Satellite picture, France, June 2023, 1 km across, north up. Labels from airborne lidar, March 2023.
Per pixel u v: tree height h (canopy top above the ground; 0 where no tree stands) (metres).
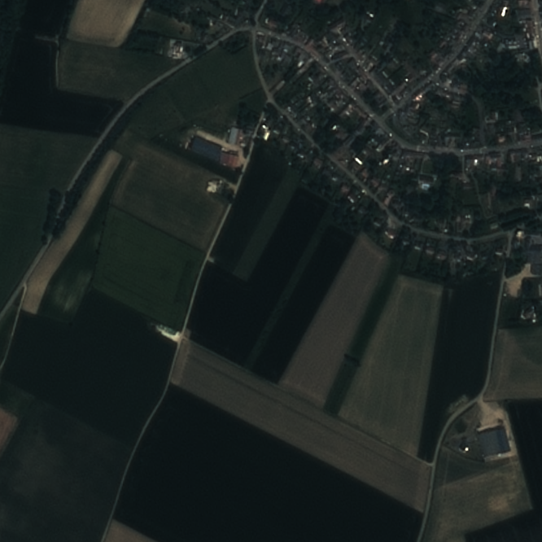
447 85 0
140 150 0
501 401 0
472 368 0
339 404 0
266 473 0
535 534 0
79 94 0
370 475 0
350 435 0
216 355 0
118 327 0
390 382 0
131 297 0
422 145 0
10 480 0
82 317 0
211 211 0
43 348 0
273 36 0
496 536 0
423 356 0
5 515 0
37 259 0
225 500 0
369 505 0
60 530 0
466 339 0
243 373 0
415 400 0
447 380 0
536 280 0
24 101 0
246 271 0
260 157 0
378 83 0
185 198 0
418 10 0
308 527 0
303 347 0
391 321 0
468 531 0
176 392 0
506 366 0
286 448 0
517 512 0
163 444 0
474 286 0
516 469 0
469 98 17
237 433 0
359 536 0
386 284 0
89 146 0
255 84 0
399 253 8
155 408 0
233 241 0
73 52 0
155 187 0
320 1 0
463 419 0
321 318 0
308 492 0
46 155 0
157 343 0
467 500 0
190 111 0
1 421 0
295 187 0
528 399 0
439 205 15
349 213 8
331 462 0
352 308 0
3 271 0
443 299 0
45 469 0
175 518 0
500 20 0
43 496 0
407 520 0
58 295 0
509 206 8
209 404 0
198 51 10
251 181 0
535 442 0
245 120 13
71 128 0
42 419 0
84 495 0
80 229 0
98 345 0
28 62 0
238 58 0
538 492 0
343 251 0
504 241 0
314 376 0
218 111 0
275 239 0
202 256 0
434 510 0
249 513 0
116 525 0
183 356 0
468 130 6
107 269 0
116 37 0
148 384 0
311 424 0
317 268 0
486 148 0
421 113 6
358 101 0
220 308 0
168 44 0
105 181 0
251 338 0
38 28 0
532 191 15
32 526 0
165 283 0
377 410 0
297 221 0
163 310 0
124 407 0
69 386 0
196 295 0
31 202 0
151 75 0
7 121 0
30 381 0
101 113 0
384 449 0
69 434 0
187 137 0
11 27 12
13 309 0
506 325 0
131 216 0
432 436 0
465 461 0
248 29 0
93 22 0
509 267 13
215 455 0
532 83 7
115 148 0
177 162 0
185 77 0
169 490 0
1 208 0
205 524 0
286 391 0
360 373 0
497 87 20
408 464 0
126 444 0
